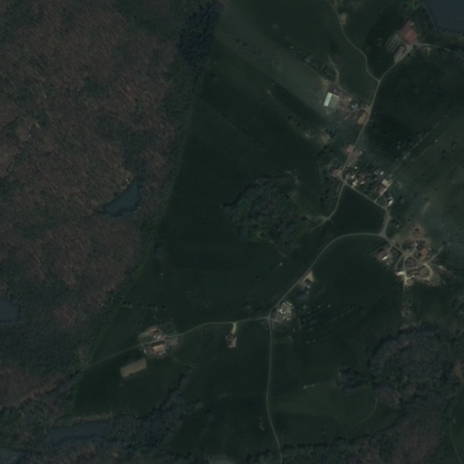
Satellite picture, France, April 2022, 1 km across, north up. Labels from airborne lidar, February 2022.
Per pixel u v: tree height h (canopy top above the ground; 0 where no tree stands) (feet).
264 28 0
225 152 0
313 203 0
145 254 58
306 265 0
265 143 0
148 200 73
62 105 0
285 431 0
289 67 0
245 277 0
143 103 0
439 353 102
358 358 0
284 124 0
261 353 0
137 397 0
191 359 0
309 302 0
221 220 0
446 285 0
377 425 0
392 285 0
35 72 0
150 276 0
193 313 0
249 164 0
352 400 0
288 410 0
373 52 0
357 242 0
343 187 0
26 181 0
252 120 0
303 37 0
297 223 86
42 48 0
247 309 52
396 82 0
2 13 0
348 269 0
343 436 0
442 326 0
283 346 0
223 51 0
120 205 0
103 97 0
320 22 0
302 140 0
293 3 0
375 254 0
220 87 0
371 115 0
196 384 0
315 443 0
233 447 0
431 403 88
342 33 0
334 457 85
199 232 0
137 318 0
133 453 65
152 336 0
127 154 43
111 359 0
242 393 0
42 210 0
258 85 0
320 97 0
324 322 0
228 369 0
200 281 0
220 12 95
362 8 0
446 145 0
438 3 0
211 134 0
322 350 0
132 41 0
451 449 36
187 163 0
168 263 0
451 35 0
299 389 0
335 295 0
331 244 0
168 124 0
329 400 0
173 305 0
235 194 0
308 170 0
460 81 0
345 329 0
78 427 0
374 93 0
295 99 0
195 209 0
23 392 0
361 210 0
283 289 0
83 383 0
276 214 95
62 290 0
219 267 0
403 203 27
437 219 0
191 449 0
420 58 0
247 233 92
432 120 0
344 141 0
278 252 0
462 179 0
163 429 84
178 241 0
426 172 0
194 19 30
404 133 0
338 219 0
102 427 0
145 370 0
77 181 0
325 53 0
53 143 0
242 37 0
